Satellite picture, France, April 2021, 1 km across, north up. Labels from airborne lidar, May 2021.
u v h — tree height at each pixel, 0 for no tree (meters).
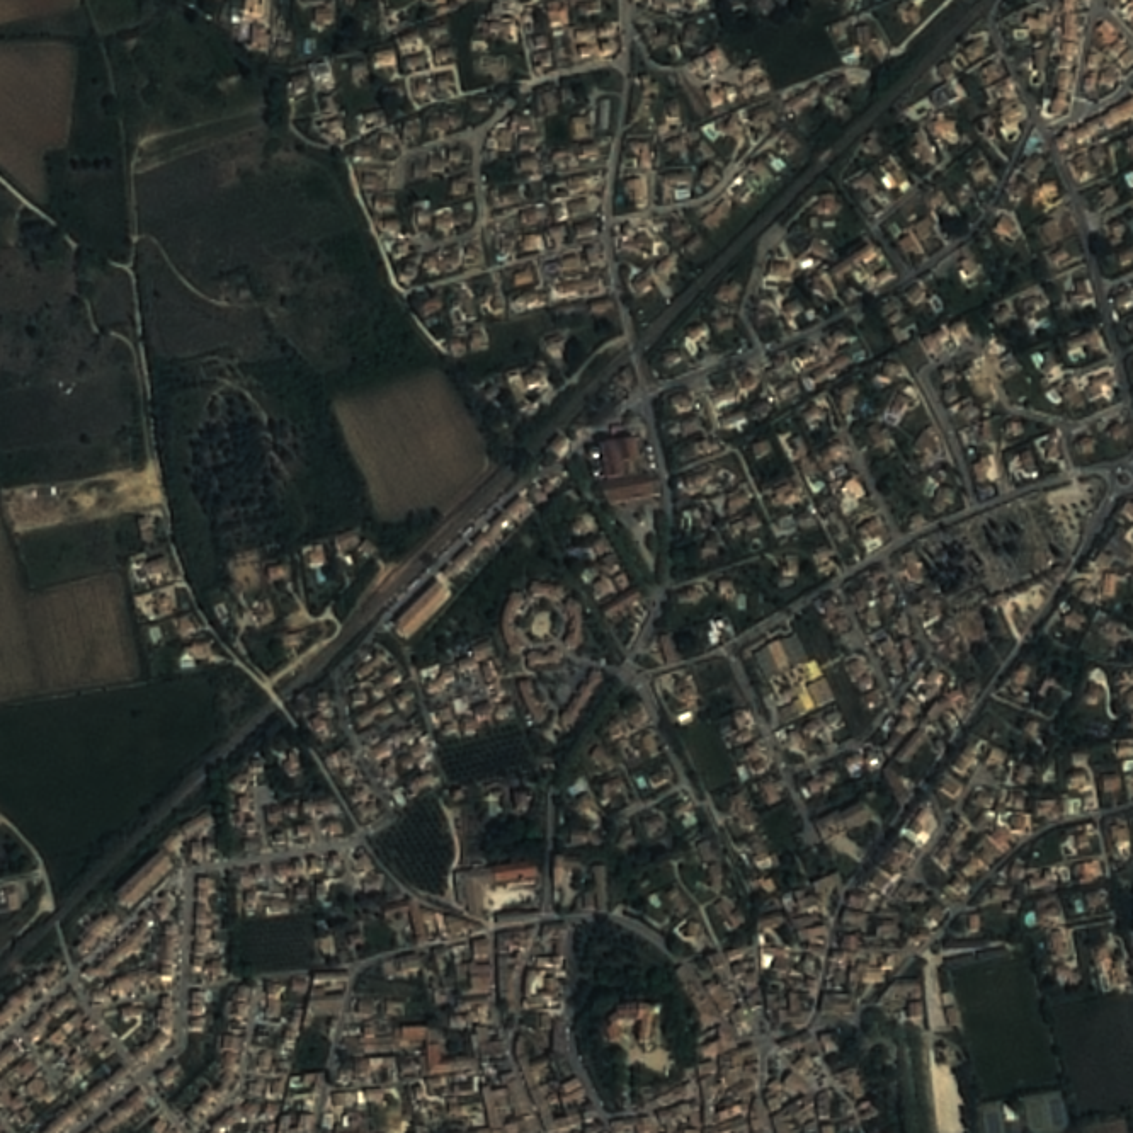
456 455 0
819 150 6
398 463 0
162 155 0
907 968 0
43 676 0
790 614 6
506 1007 9
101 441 0
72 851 0
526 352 7
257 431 13
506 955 0
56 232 9
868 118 0
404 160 0
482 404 17
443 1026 7
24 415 0
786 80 0
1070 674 11
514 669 0
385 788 7
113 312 0
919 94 0
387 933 7
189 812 8
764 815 6
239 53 7
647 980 7
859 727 0
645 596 12
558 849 8
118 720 0
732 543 5
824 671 0
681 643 15
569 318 9
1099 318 13
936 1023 0
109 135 0
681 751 12
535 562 0
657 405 6
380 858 7
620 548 12
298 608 0
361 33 12
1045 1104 0
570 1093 0
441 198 0
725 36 6
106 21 0
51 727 0
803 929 0
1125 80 0
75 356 0
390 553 8
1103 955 0
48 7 0
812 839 0
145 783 0
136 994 0
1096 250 13
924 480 6
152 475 0
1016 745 10
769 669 0
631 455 0
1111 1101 0
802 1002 7
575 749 16
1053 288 9
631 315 6
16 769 0
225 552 7
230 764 9
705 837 10
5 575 0
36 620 0
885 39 0
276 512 6
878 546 0
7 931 0
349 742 7
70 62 0
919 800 11
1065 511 6
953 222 11
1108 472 0
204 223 0
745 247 0
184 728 0
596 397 7
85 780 0
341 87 0
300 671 0
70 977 0
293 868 0
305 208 0
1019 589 10
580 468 12
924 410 0
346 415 0
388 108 14
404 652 6
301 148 9
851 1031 11
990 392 0
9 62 0
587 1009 7
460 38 0
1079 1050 0
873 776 7
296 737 7
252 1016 0
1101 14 0
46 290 0
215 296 0
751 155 0
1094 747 11
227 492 12
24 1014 0
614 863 7
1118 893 8
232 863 0
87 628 0
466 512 0
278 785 10
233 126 0
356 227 0
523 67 0
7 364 0
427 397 0
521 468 19
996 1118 0
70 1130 0
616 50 0
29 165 0
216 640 8
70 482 0
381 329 8
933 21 0
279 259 0
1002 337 13
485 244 0
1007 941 7
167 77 0
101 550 0
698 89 0
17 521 0
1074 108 0
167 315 0
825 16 0
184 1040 0
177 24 0
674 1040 9
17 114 0
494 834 14
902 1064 10
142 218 0
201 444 7
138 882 0
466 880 0
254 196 0
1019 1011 0
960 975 0
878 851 14
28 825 0
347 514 6
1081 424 0
